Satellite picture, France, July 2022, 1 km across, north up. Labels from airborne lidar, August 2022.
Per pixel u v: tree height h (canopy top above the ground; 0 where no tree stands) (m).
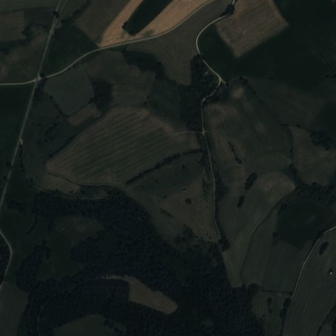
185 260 8
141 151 0
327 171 0
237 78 0
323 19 0
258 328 14
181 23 0
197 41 0
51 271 0
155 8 0
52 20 0
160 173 0
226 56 0
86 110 0
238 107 0
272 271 0
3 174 0
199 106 6
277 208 0
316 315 0
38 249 23
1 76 0
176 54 0
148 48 0
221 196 7
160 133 0
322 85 0
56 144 0
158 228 0
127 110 0
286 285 0
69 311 8
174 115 0
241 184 0
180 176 0
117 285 27
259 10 0
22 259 0
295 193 0
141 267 22
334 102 0
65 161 0
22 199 0
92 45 0
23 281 28
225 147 0
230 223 0
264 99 0
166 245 21
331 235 0
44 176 0
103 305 14
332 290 0
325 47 0
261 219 0
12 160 0
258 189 0
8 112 0
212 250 11
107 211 18
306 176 0
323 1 0
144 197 0
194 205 0
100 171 0
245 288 14
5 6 0
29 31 0
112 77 0
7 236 0
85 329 0
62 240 0
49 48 0
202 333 10
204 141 6
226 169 0
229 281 8
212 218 0
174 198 0
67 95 0
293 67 0
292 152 12
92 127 0
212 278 8
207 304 19
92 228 0
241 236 0
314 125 0
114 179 0
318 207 0
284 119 0
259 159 0
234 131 0
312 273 0
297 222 0
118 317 10
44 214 22
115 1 0
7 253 8
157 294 0
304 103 0
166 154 0
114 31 0
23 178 0
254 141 0
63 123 0
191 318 8
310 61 0
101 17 0
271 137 0
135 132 0
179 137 0
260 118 0
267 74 0
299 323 0
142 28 0
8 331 0
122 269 23
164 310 0
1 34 0
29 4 0
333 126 0
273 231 0
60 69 0
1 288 0
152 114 0
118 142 0
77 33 0
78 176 0
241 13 0
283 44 0
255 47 0
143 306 10
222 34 0
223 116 0
